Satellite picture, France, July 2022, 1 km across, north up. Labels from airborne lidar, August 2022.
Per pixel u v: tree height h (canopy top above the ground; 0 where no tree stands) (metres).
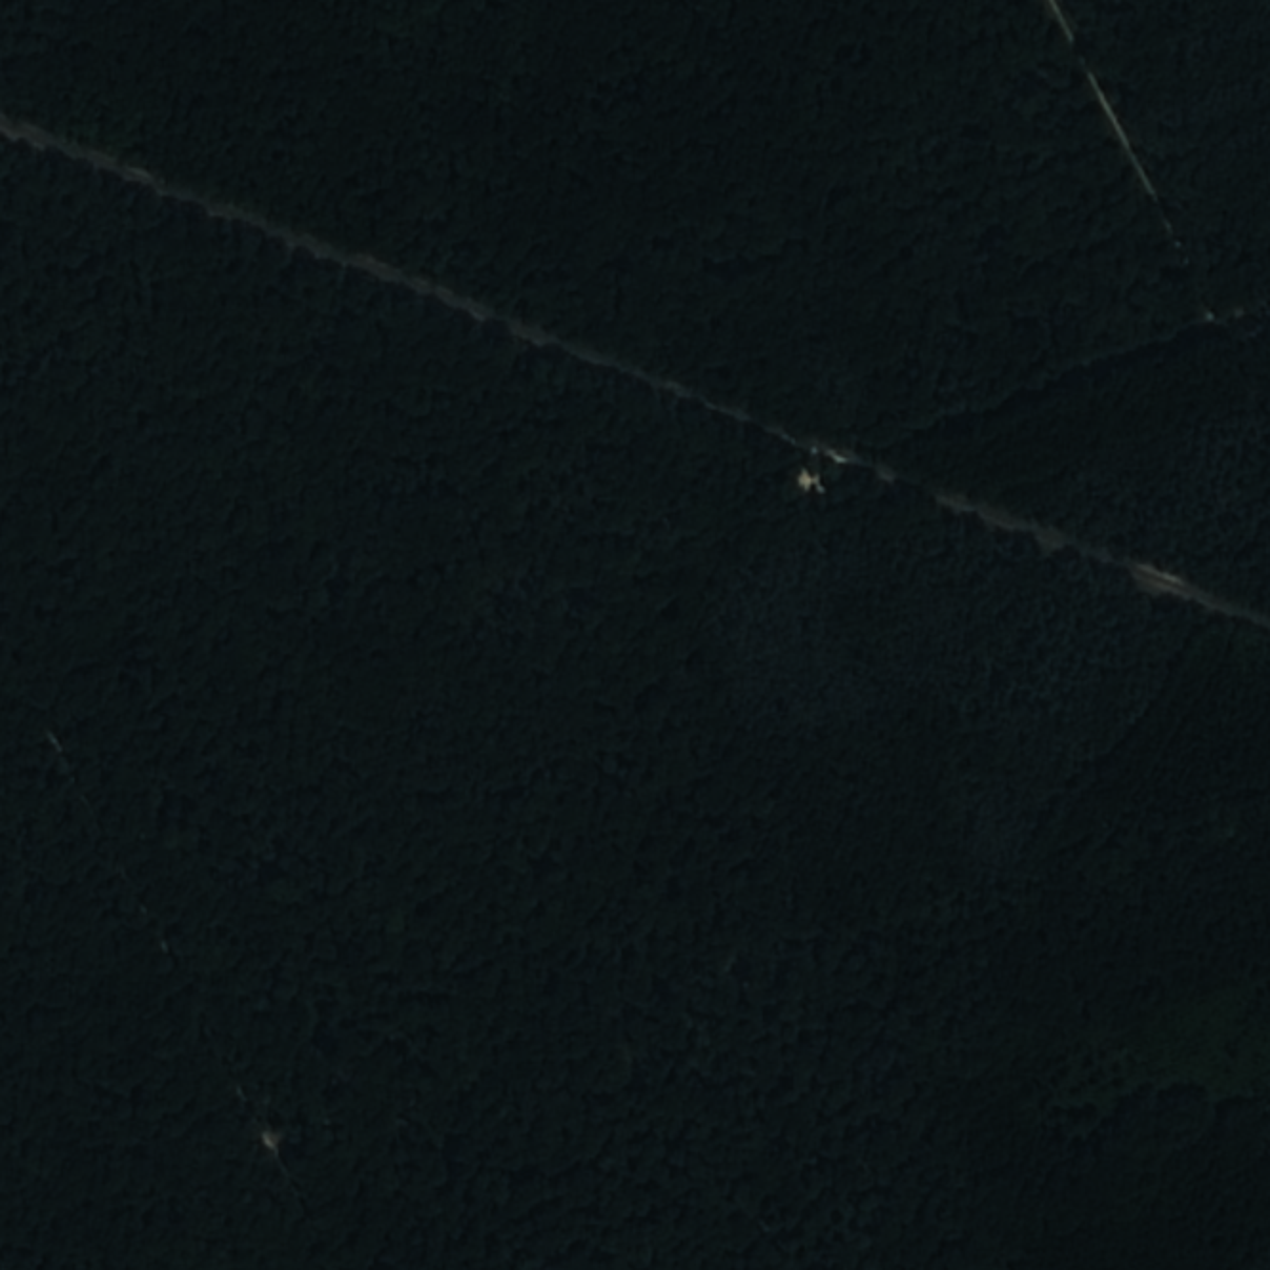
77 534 22
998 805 17
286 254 22
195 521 22
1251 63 19
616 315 24
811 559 22
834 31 29
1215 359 26
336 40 27
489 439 29
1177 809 21
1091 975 25
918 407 28
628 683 26
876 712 21
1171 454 20
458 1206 25
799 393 27
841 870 23
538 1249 25
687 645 19
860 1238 27
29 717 24
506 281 27
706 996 28
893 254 27
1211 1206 17
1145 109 20
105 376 23
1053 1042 19
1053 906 25
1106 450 19
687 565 26
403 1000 27
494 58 28
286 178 30
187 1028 24
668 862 23
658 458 21
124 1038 22
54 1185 21
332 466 21
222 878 27
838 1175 27
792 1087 28
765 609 18
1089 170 24
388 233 26
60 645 25
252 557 27
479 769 20
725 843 28
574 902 26
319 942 28
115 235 25
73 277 29
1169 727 17
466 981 26
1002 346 29
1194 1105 24
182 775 29
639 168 26
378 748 21
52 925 24
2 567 28
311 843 30
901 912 23
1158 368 27
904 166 26
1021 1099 19
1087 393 24
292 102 24
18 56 27
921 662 21
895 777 21
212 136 31
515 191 28
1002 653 21
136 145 26
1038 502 20
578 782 29
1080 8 23
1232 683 15
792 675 19
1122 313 25
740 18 30
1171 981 24
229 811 23
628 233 29
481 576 26
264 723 26
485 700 22
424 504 28
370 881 30
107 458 19
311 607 28
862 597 22
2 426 26
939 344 26
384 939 29
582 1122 26
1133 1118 24
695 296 30
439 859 27
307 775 23
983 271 23
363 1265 27
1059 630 26
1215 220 22
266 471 22
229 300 25
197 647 26
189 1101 22
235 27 28
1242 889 24
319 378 24
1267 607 22
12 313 27
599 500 22
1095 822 21
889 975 24
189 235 29
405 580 31
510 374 27
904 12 26
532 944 24
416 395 28
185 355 24
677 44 28
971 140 26
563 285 25
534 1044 27
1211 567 22
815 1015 23
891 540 19
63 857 24
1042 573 22
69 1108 25
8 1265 25
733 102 30
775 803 23
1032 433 26
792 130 24
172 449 27
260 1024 28
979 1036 24
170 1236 24
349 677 28
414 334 26
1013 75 26
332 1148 21
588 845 26
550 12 33
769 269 22
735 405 20
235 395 26
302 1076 31
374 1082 25
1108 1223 20
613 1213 27
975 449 27
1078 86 27
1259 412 23
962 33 21
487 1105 28
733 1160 27
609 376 19
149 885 27
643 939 26
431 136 29
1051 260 28
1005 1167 25
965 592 21
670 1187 26
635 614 27
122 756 28
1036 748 23
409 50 32
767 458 27
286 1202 22
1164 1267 18
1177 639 21
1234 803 24
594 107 28
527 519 23
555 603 28
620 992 27
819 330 23
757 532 23
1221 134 20
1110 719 21
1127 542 17
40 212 26
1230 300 29
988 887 27
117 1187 21
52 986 26
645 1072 24
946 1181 25
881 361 24
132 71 30
